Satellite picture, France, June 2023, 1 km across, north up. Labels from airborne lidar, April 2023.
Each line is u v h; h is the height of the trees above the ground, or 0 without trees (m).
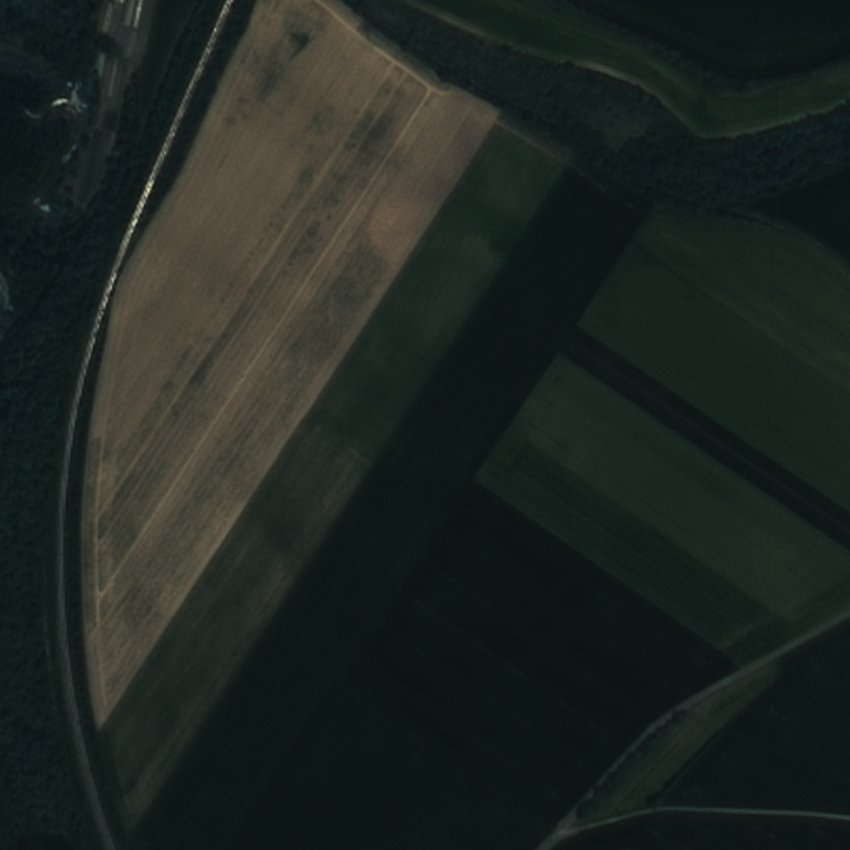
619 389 0
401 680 0
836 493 0
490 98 7
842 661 0
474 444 0
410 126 0
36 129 15
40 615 13
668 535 0
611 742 0
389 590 0
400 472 0
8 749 13
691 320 0
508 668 0
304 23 0
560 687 0
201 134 0
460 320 0
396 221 0
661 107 19
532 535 0
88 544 0
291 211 0
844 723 0
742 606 0
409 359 0
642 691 0
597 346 0
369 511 0
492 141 0
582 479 0
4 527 18
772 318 0
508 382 0
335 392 0
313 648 0
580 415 0
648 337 0
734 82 8
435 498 0
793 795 0
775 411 0
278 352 0
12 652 20
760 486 0
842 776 0
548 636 0
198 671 0
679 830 0
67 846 0
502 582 0
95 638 0
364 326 0
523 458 0
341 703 0
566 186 0
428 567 0
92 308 9
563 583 0
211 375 0
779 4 0
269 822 0
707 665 0
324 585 0
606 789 12
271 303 0
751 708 0
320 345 0
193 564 0
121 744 0
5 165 15
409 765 0
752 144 22
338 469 0
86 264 22
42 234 8
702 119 0
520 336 0
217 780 0
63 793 17
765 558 0
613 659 0
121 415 0
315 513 0
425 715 0
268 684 0
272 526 0
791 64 0
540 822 0
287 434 0
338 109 0
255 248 0
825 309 0
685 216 0
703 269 0
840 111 7
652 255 0
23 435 20
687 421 0
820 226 0
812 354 0
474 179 0
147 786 0
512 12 0
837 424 0
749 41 0
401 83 0
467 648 0
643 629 0
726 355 0
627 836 0
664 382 0
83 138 7
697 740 0
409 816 0
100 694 0
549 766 0
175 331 0
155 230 0
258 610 0
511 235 0
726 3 0
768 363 0
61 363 21
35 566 20
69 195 9
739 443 0
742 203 6
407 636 0
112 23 0
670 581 0
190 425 0
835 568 0
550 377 0
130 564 0
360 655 0
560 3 7
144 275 0
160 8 0
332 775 0
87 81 0
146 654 0
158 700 0
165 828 0
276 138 0
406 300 0
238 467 0
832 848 0
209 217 0
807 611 0
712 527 0
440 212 0
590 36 0
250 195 0
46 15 14
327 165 0
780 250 0
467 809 0
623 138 0
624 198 0
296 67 0
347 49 0
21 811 20
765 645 0
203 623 0
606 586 0
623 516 0
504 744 0
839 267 0
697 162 8
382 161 0
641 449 0
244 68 0
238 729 0
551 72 7
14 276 9
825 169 9
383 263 0
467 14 0
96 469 0
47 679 14
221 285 0
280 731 0
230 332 0
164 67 0
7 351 16
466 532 0
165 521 0
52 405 18
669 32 0
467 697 0
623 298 0
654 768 0
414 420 0
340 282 0
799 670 0
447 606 0
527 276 0
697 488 0
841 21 0
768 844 0
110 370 0
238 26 13
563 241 0
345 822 0
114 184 19
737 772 0
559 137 8
